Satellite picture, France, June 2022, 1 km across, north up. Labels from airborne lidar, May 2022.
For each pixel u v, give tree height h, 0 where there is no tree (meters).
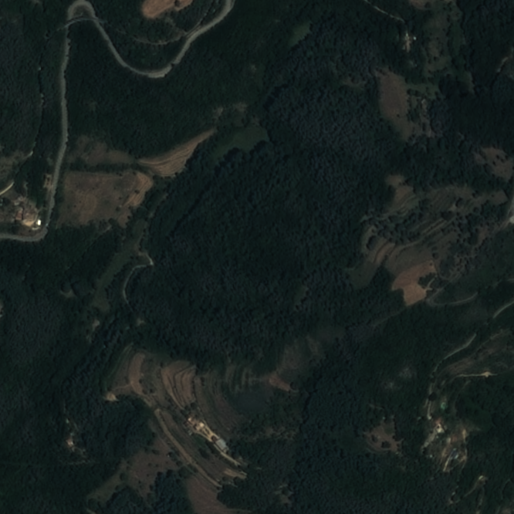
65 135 0
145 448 8
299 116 28
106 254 21
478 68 27
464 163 15
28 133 16
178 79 17
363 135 13
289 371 0
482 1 10
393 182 0
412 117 11
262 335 17
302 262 17
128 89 12
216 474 0
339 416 32
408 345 10
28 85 14
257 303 14
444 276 8
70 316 12
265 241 22
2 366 22
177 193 18
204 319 25
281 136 24
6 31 11
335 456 31
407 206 0
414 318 10
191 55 18
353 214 10
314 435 25
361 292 7
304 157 33
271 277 22
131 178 0
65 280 20
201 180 10
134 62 19
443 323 8
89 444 24
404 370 8
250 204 13
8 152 10
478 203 0
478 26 17
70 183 0
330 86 14
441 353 6
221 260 15
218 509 0
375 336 13
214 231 14
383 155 13
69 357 18
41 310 22
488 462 9
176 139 13
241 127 14
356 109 16
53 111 15
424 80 15
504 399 14
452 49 10
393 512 16
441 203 0
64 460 11
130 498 19
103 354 11
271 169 30
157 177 12
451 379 8
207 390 0
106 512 24
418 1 0
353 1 9
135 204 0
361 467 28
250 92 16
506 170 0
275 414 6
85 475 11
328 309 15
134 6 11
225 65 21
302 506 23
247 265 21
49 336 11
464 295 0
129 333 9
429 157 11
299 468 26
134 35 9
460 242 11
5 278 35
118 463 8
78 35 23
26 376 14
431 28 0
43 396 11
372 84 12
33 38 14
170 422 0
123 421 24
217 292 17
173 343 30
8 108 16
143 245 10
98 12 15
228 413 0
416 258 0
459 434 0
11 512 15
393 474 9
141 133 18
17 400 25
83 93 23
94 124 13
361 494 15
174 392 0
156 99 15
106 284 0
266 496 16
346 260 16
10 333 21
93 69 17
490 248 9
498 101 30
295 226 19
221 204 16
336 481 14
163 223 15
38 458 19
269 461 14
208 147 23
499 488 11
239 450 16
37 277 14
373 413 10
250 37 9
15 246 20
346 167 15
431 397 15
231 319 21
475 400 18
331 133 22
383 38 21
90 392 19
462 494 16
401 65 20
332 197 16
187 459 0
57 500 16
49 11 19
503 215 11
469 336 10
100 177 0
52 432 10
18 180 14
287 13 9
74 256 17
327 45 19
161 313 22
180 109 11
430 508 16
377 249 0
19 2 18
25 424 19
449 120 15
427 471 9
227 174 27
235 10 9
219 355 14
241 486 9
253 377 0
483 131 17
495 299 14
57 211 12
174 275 16
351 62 18
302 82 19
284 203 23
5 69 22
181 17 13
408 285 0
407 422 16
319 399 33
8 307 11
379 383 11
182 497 25
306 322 10
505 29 21
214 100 13
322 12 9
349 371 20
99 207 0
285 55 10
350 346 11
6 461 16
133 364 0
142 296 18
